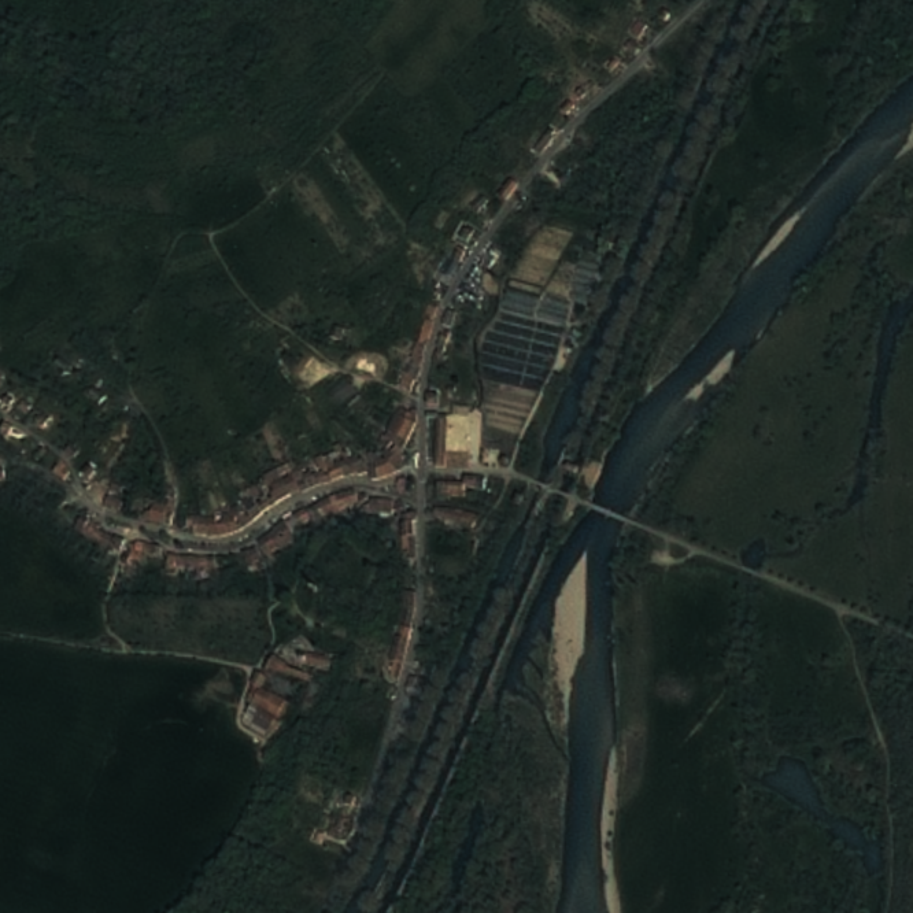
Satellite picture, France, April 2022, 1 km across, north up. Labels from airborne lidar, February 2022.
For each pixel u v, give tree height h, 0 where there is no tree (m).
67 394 13
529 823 0
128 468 8
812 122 0
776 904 0
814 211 0
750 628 11
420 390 0
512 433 0
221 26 10
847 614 0
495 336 0
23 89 7
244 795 0
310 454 8
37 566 0
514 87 0
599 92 0
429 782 30
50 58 15
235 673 0
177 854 0
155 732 0
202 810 0
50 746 0
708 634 0
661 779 0
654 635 0
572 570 0
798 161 0
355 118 0
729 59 22
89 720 0
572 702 0
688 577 0
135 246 0
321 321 7
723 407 17
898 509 0
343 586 0
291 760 8
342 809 0
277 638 0
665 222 32
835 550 0
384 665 0
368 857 23
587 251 6
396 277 0
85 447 0
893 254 0
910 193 14
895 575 0
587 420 11
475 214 0
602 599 0
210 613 0
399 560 7
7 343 0
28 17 7
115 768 0
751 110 0
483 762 9
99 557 8
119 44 20
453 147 0
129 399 0
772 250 0
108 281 0
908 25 10
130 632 0
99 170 12
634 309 28
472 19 0
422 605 0
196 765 0
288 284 0
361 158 0
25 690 0
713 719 0
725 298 0
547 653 0
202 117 11
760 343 0
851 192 0
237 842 18
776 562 0
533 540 11
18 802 0
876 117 0
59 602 0
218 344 0
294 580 0
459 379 8
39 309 0
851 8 0
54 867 0
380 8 8
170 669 0
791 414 0
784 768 0
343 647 0
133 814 0
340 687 7
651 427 0
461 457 0
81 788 0
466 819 7
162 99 13
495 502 13
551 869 0
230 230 0
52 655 0
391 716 0
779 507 0
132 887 0
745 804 12
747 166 0
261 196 0
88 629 0
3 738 0
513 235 0
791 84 0
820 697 0
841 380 0
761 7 30
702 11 0
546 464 0
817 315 0
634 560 15
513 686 0
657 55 12
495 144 17
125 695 0
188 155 0
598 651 0
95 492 0
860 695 0
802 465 0
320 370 0
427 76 0
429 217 11
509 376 0
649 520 15
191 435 6
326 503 0
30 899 0
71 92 14
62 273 0
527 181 0
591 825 0
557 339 0
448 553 0
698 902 0
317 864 0
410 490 7
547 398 0
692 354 0
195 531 0
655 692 0
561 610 0
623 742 0
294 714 0
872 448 13
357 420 6
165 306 0
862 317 9
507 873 12
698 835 0
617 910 0
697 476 0
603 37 0
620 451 0
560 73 7
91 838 0
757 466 0
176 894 0
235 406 0
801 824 12
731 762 0
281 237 0
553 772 0
